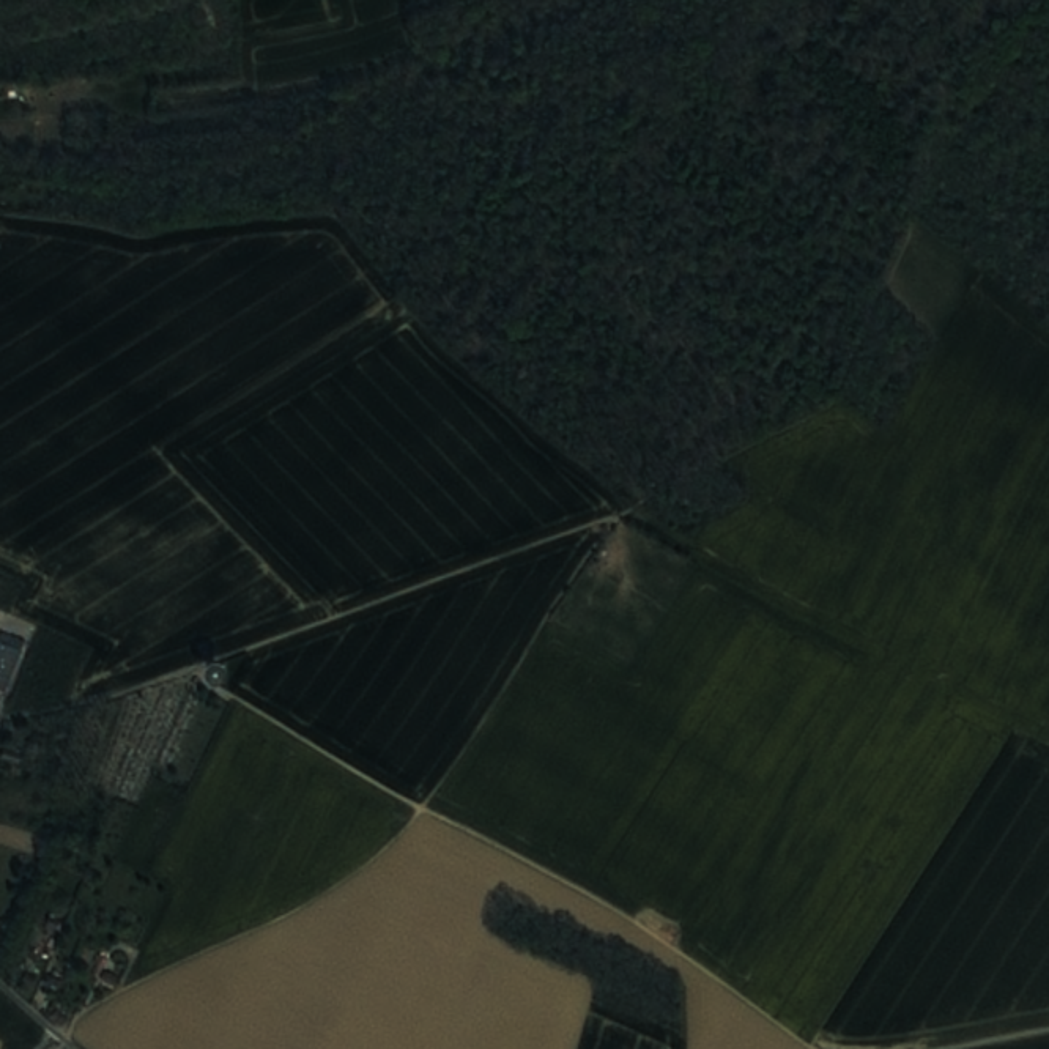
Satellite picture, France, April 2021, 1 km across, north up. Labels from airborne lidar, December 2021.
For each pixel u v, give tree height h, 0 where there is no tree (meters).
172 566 0
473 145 13
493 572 0
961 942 0
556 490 0
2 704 0
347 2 0
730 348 20
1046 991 0
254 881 0
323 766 0
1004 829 0
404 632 0
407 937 0
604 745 0
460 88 22
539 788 0
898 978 0
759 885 0
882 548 0
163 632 0
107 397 0
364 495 0
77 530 0
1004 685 0
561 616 0
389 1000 0
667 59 21
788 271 20
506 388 19
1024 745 0
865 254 21
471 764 0
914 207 21
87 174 20
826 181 24
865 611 0
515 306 28
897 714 0
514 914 24
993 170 21
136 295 0
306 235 0
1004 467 0
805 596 0
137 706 0
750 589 0
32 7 24
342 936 0
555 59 24
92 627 0
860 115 14
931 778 0
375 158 15
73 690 0
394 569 0
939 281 0
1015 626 0
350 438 0
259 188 24
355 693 0
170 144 22
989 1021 0
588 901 0
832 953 0
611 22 25
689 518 23
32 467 0
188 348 0
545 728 0
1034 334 0
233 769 0
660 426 26
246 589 0
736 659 0
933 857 0
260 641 0
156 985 0
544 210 21
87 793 26
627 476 22
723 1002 0
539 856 0
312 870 0
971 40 20
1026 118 26
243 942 0
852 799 0
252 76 0
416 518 0
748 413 21
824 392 22
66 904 18
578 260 24
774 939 0
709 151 16
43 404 0
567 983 0
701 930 0
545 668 0
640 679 0
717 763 0
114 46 27
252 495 0
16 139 0
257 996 0
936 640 0
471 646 0
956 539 0
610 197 24
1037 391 0
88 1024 0
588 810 0
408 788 0
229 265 0
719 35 26
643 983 24
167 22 23
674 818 0
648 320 22
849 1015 0
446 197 17
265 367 0
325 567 0
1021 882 0
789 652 0
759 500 0
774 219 16
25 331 0
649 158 16
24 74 27
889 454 0
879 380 21
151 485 0
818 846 0
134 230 19
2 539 0
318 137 18
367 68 0
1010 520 0
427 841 0
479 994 0
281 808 0
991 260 15
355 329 0
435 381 0
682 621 0
